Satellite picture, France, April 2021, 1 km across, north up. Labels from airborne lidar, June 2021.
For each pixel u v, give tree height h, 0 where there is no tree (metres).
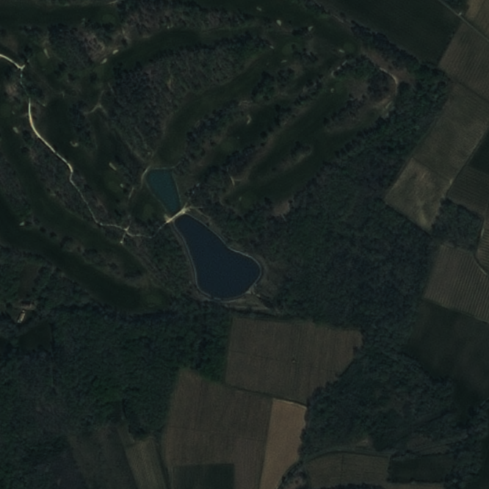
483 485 0
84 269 0
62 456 7
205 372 22
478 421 25
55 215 0
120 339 26
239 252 0
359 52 0
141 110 22
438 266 0
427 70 19
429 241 23
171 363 22
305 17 0
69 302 23
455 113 0
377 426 14
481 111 0
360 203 10
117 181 0
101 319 29
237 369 0
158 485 0
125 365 21
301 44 0
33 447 15
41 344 0
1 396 22
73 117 0
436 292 0
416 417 6
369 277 18
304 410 0
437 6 0
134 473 0
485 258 0
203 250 0
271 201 0
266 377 0
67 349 24
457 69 0
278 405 0
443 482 10
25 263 11
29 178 0
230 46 20
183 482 0
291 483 15
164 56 19
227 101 0
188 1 0
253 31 0
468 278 0
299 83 0
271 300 7
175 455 0
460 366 0
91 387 21
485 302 0
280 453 0
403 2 0
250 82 0
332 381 0
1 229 0
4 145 0
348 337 0
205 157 9
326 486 0
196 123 0
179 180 0
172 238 22
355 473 0
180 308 22
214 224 12
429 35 0
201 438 0
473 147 0
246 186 0
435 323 0
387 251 6
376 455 0
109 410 23
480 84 0
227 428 0
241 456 0
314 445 19
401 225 13
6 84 0
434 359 0
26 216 13
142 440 18
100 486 0
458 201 0
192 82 19
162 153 0
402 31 0
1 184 16
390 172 10
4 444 18
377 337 15
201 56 22
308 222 23
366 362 9
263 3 0
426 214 0
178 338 21
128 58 0
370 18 0
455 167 0
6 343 0
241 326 0
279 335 0
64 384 24
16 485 31
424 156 0
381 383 6
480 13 0
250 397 0
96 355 26
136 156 0
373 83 17
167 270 13
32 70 0
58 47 21
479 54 0
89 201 17
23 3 0
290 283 23
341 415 20
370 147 14
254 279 0
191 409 0
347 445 16
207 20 18
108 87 0
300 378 0
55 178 18
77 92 0
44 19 0
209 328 18
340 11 0
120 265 0
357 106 11
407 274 19
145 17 28
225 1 0
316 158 0
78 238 0
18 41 0
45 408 14
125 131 23
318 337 0
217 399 0
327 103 0
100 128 0
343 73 15
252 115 0
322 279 17
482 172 0
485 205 0
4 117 0
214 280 0
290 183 0
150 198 0
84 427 7
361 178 8
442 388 16
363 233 18
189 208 0
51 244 0
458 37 0
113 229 17
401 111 19
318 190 21
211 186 16
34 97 25
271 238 16
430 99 15
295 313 24
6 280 25
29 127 0
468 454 20
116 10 0
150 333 20
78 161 0
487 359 0
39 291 19
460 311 0
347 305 19
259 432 0
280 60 0
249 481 0
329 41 0
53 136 0
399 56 24
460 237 19
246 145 0
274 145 0
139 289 0
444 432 10
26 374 21
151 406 22
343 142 0
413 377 18
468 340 0
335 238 27
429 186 0
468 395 0
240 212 0
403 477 0
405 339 15
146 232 21
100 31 18
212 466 0
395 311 22
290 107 0
